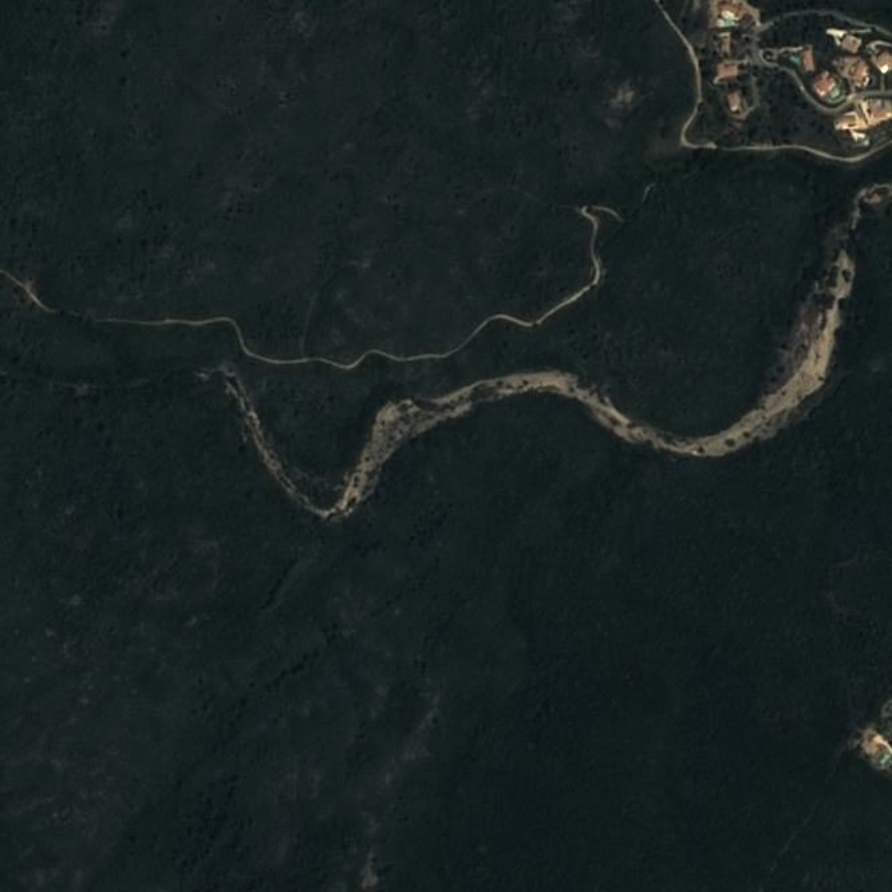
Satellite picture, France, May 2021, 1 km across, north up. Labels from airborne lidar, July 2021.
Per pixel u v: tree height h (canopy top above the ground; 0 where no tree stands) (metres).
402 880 11
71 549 5
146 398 6
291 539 8
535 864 6
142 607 6
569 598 6
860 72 0
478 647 6
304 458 6
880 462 7
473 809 7
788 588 7
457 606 7
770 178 6
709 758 6
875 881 7
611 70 7
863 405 6
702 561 7
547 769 7
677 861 8
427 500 8
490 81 8
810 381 0
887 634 7
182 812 7
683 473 6
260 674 6
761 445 6
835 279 9
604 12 8
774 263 6
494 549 5
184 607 9
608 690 8
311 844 9
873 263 7
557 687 8
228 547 5
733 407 5
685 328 6
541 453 6
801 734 6
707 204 6
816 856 7
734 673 7
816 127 11
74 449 6
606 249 7
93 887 6
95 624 6
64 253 6
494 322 6
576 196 6
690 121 0
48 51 7
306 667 20
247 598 6
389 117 10
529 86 9
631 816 8
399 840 6
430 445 6
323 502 8
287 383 6
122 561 8
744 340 7
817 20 13
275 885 6
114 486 6
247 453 22
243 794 8
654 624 9
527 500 7
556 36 6
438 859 7
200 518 5
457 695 6
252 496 17
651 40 7
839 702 8
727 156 13
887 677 8
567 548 7
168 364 7
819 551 7
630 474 7
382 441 0
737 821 7
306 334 7
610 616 8
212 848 11
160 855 10
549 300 7
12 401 8
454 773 7
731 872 6
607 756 6
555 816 6
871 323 8
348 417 6
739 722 6
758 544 8
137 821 6
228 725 6
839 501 12
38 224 9
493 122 8
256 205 6
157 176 6
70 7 9
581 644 7
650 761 8
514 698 7
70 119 7
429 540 6
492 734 7
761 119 8
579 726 7
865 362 6
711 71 8
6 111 7
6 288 6
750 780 7
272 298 6
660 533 6
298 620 6
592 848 6
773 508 8
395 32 8
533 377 0
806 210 7
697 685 8
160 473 6
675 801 7
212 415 7
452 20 10
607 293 6
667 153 0
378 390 8
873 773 6
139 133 6
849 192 11
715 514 6
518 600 10
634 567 7
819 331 0
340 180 10
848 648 6
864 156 0
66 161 10
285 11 7
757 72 9
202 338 6
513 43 12
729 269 7
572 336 9
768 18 11
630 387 9
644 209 7
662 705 7
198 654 6
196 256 8
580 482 7
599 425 6
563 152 9
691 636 10
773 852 6
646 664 8
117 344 7
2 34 6
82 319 9
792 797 6
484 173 8
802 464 9
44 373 13
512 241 8
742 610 7
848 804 6
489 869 9
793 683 7
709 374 8
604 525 7
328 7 9
